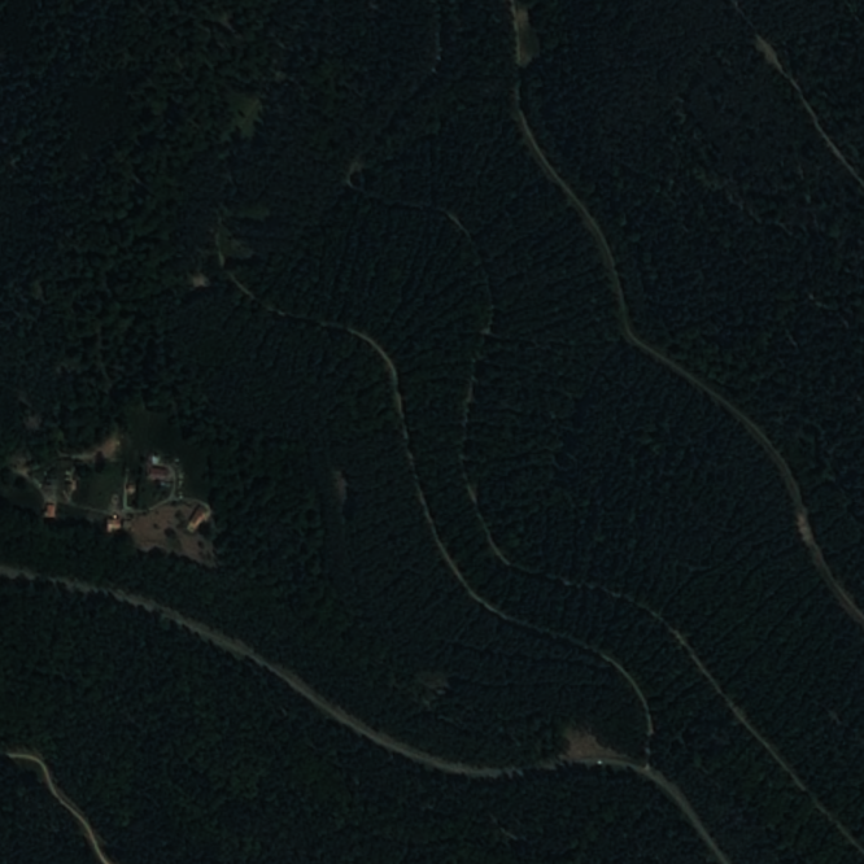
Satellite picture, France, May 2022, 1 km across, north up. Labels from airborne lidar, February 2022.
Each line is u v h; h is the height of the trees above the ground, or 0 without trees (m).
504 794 25
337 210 17
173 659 27
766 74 10
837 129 9
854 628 21
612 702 20
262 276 18
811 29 18
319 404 16
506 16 18
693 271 30
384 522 22
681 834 27
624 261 13
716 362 28
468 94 25
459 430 18
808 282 31
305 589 16
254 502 15
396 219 15
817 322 29
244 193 27
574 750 0
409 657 22
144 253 30
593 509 18
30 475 8
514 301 18
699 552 15
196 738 25
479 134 23
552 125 30
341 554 20
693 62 15
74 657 23
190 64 29
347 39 22
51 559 19
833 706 16
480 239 23
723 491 17
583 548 20
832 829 12
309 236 18
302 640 19
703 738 24
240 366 14
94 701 26
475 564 16
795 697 14
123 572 23
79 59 24
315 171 27
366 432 18
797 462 19
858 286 19
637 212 33
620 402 25
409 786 23
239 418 18
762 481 17
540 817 27
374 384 13
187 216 21
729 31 21
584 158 29
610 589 14
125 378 15
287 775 26
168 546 17
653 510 17
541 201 22
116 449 0
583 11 25
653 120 25
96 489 0
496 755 22
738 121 10
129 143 30
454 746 24
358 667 20
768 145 9
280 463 15
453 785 24
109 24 24
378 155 28
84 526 16
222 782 21
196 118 26
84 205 26
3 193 22
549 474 12
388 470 26
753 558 12
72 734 23
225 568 12
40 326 8
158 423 0
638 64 23
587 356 21
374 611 22
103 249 33
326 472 20
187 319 18
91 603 30
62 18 22
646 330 19
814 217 9
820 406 30
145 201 27
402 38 27
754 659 13
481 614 21
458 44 25
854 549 18
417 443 17
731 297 31
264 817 24
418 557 22
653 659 16
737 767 16
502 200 24
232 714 23
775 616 14
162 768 22
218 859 20
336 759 21
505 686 19
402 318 16
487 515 20
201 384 18
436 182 23
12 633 31
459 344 15
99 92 13
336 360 16
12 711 28
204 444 14
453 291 19
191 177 32
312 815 23
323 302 18
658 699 14
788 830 16
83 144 13
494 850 26
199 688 24
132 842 20
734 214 27
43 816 22
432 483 14
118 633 25
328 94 26
